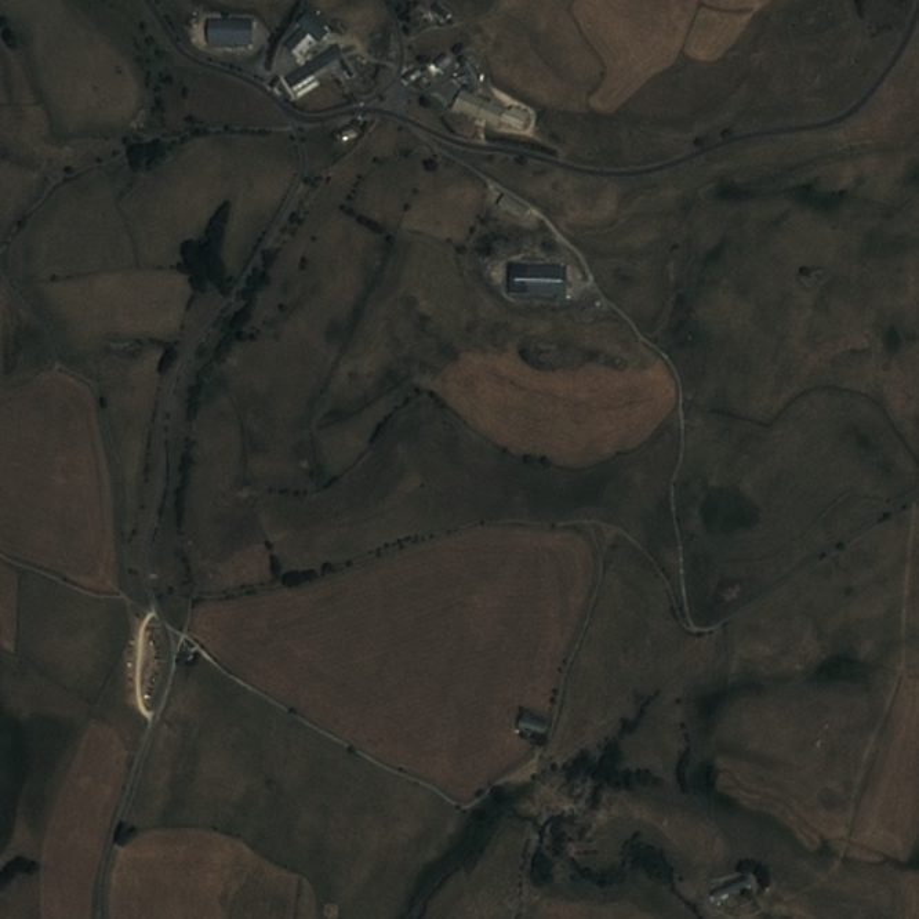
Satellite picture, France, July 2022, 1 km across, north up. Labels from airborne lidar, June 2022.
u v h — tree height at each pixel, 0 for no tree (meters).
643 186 0
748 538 0
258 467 0
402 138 0
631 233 0
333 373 0
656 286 0
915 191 0
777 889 0
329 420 0
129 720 0
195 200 0
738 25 0
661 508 0
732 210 0
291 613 0
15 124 0
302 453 0
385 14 0
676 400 0
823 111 0
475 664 0
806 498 0
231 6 0
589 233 0
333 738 0
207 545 0
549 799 0
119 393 0
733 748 0
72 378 0
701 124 0
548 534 0
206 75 0
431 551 0
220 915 0
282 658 0
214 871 0
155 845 0
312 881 0
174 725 0
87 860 0
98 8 0
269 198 0
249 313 10
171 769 0
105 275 0
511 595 0
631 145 0
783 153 0
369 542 0
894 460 0
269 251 9
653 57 0
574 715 0
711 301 0
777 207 0
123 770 0
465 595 0
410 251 0
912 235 0
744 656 0
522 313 0
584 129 0
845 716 0
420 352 0
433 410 0
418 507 0
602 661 0
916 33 0
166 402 0
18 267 0
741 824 0
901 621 0
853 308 0
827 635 0
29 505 0
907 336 0
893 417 0
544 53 0
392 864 0
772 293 0
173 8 0
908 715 0
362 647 0
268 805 0
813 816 0
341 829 0
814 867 0
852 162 0
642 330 0
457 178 0
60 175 0
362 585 0
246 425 0
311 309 0
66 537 0
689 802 0
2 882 14
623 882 0
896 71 0
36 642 0
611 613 0
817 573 0
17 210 0
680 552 0
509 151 0
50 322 0
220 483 0
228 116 0
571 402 0
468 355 0
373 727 0
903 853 0
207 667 0
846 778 0
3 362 0
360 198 0
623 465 0
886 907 0
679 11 0
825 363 0
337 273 0
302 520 0
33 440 0
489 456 0
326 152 0
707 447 0
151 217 0
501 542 0
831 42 0
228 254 0
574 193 0
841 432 0
